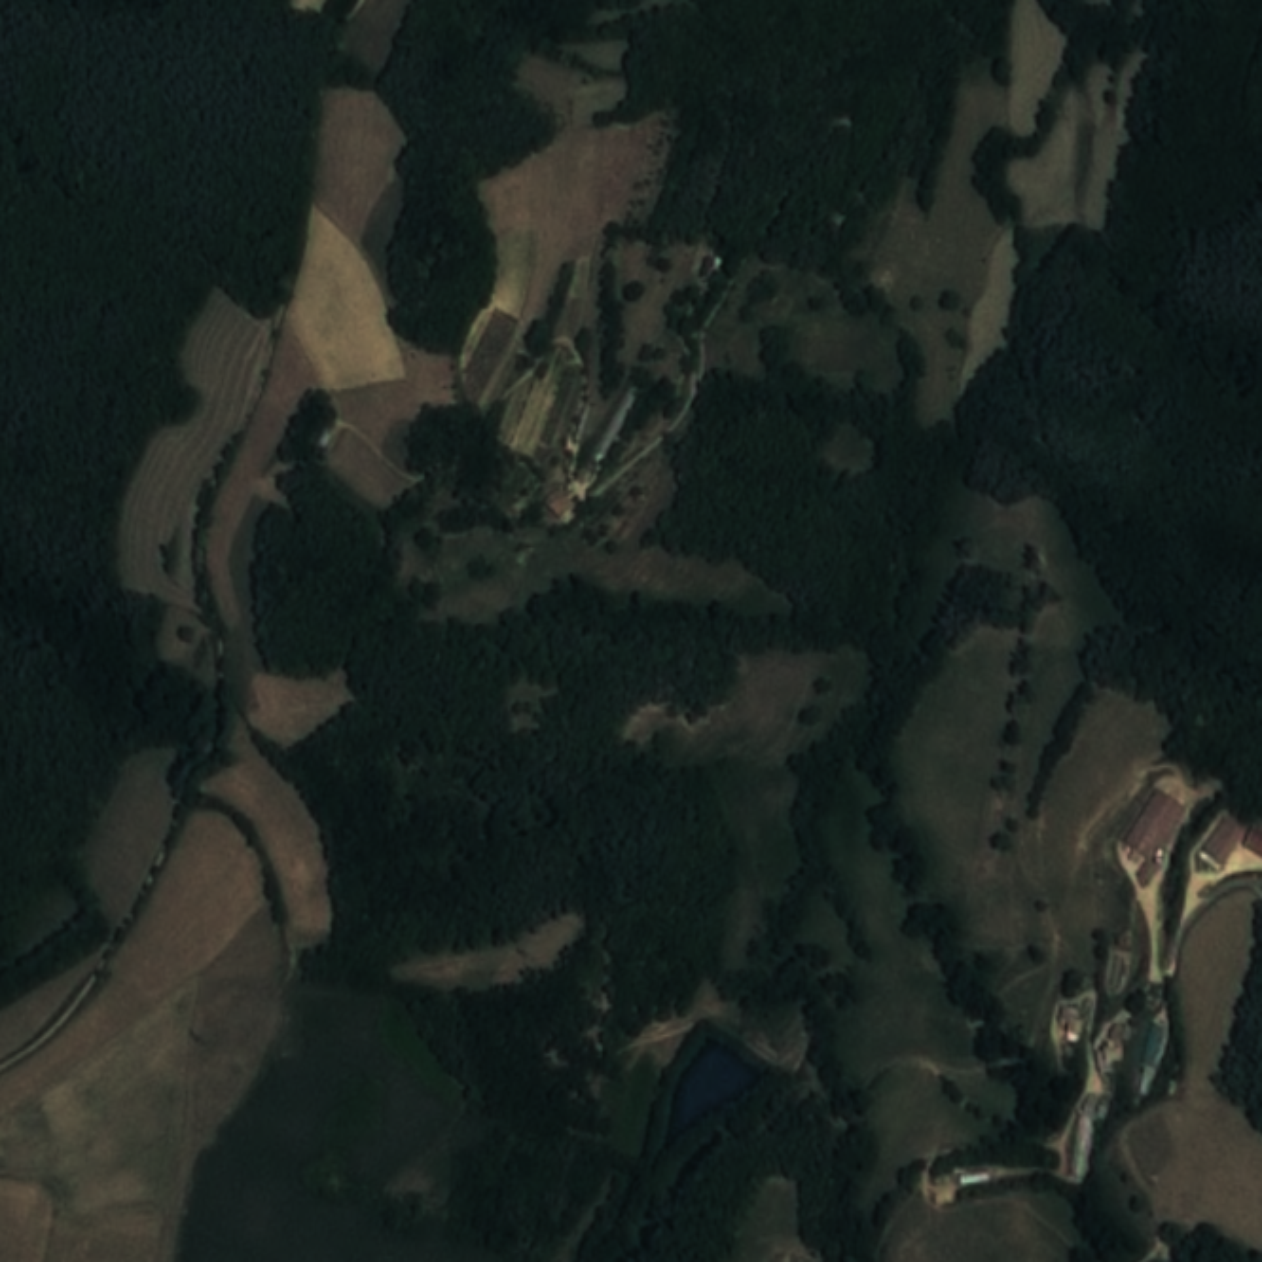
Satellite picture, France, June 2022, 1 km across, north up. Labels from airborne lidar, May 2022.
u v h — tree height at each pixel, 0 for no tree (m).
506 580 0
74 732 20
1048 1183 15
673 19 15
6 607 20
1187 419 23
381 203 0
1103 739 0
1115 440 11
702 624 30
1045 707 0
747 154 16
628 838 19
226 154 17
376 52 0
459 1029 18
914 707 13
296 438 15
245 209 17
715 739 0
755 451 20
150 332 19
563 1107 21
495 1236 15
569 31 14
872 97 16
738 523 16
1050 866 0
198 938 0
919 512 19
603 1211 12
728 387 23
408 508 17
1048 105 12
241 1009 0
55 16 21
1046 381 27
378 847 25
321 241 0
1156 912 0
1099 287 16
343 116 0
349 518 19
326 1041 0
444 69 16
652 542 16
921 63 13
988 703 0
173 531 0
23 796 24
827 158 15
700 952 20
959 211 0
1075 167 0
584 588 27
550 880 17
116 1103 0
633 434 7
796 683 0
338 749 21
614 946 16
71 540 20
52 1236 0
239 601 0
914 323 0
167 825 0
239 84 19
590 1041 7
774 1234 0
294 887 0
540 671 17
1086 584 0
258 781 0
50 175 27
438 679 16
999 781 9
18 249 22
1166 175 9
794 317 0
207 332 0
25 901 18
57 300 16
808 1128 10
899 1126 0
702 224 16
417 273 13
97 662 18
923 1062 0
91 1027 0
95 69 15
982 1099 0
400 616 13
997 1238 0
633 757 21
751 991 23
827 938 0
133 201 21
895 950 0
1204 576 21
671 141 7
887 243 0
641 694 12
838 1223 21
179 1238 0
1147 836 0
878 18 10
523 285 0
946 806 0
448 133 22
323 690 0
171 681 19
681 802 22
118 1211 0
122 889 0
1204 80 10
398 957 18
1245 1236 0
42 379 17
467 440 18
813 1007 16
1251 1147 0
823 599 22
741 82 16
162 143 17
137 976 0
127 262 17
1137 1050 0
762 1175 17
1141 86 16
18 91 21
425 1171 0
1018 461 24
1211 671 23
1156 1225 0
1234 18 9
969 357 0
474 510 11
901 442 24
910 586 19
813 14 16
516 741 14
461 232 18
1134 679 11
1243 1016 15
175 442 0
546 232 0
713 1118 14
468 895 25
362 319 0
